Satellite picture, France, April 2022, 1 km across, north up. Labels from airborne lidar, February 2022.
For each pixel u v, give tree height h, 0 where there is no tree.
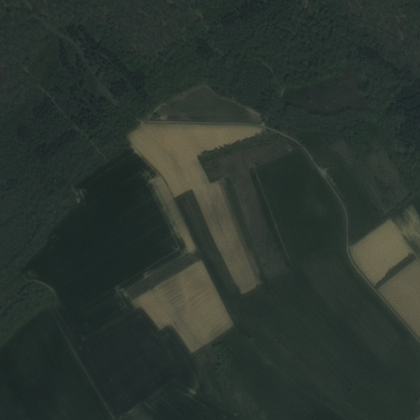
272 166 0
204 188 0
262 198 0
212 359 0
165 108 0
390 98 29
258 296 0
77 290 0
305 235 0
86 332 0
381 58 26
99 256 0
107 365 0
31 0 26
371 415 0
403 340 0
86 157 25
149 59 23
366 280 0
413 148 26
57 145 25
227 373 7
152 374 0
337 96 0
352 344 0
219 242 0
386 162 0
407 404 0
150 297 0
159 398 0
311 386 0
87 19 28
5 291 0
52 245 0
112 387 0
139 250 0
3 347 0
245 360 0
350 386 0
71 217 0
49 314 0
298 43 23
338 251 0
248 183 0
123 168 0
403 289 0
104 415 0
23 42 29
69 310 0
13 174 17
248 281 0
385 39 27
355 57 29
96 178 0
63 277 0
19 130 18
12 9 27
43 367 0
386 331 0
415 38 27
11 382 0
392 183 0
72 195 12
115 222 0
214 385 0
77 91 23
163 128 0
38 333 0
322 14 19
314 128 23
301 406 0
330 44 26
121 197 0
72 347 0
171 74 24
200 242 0
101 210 0
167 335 0
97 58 27
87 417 0
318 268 0
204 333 0
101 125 16
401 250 0
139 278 0
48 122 19
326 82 0
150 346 0
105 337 0
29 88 31
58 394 0
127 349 0
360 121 17
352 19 26
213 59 17
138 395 0
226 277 0
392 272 6
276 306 0
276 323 0
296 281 0
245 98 14
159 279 0
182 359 0
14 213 8
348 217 0
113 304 0
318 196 0
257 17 18
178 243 0
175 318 0
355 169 0
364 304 0
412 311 0
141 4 28
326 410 0
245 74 23
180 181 0
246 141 8
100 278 0
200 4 23
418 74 26
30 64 31
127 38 27
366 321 0
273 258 0
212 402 0
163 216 0
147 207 0
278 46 28
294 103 0
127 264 0
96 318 0
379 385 0
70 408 0
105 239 0
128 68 18
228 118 0
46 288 7
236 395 0
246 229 0
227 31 15
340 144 0
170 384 0
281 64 22
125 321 0
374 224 0
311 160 0
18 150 17
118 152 23
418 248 0
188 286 0
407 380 0
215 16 14
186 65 22
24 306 19
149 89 23
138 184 0
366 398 0
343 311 0
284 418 0
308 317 0
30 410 0
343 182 0
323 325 0
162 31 30
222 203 0
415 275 0
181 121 0
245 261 0
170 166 0
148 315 0
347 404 0
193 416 0
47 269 0
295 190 0
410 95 28
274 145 0
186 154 0
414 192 11
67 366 0
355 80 0
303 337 0
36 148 15
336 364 0
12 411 0
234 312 0
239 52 18
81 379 0
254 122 0
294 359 0
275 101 24
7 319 24
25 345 0
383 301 0
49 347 0
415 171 23
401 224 0
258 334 0
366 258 0
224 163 0
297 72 26
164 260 0
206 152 10
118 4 28
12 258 13
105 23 26
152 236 0
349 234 0
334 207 0
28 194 19
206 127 0
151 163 0
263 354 0
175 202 0
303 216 0
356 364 0
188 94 0
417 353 0
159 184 0
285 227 0
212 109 0
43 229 26
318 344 0
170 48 27
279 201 0
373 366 0
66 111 16
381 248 0
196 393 0
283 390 0
